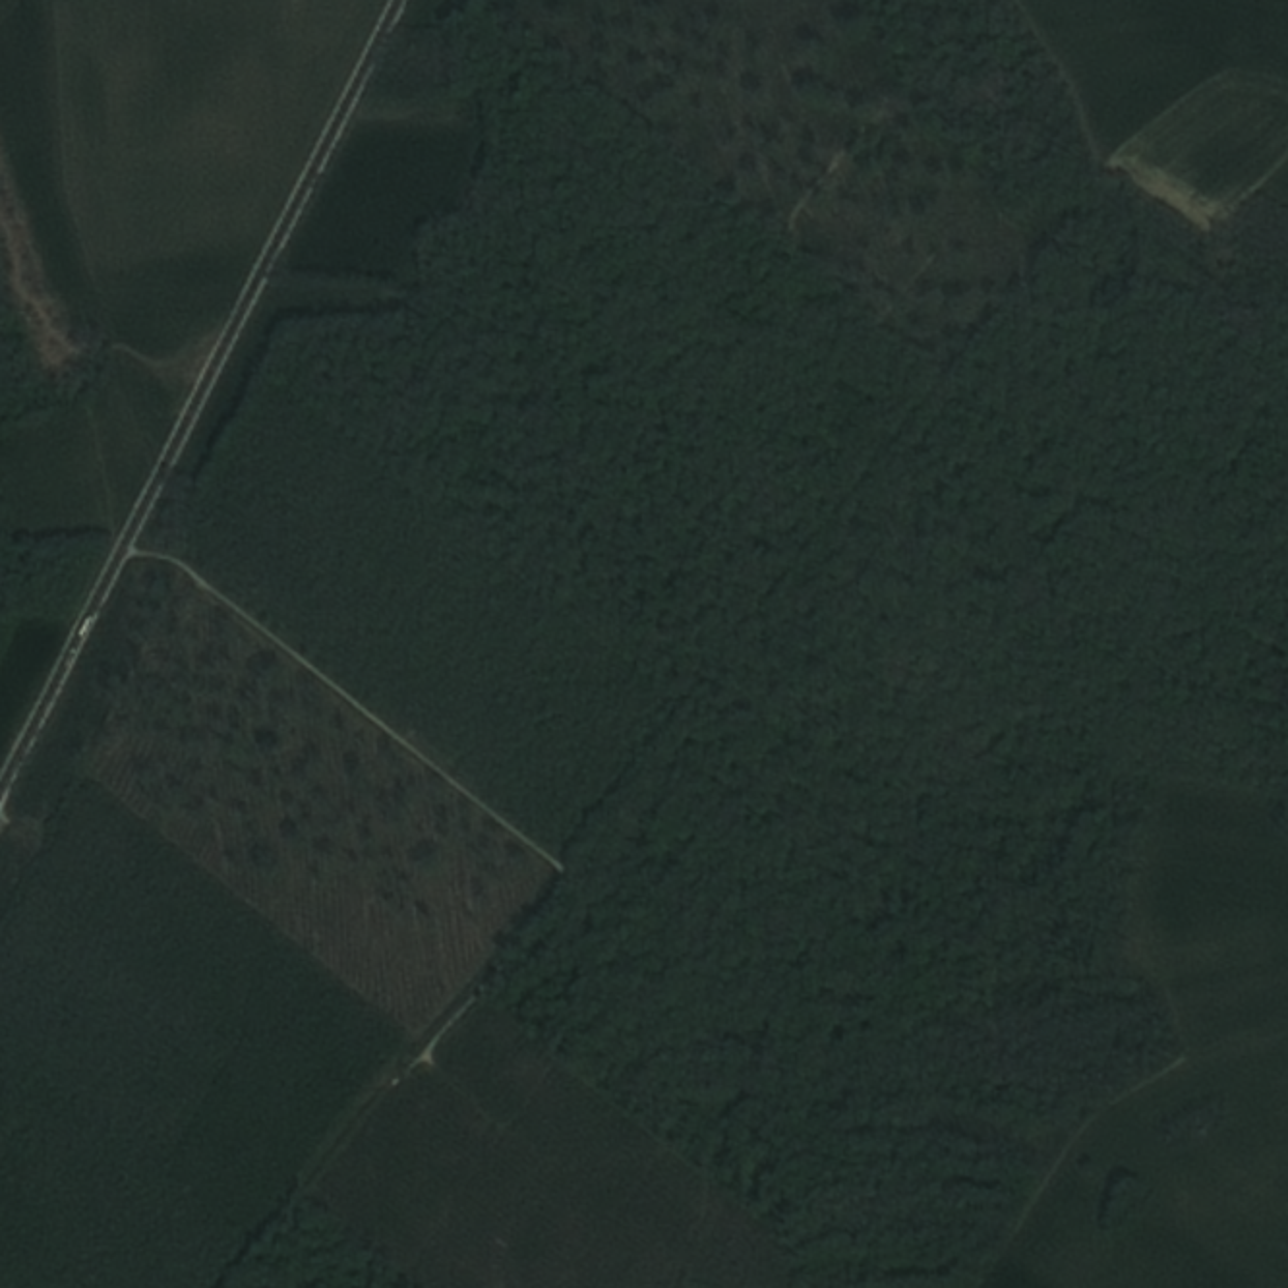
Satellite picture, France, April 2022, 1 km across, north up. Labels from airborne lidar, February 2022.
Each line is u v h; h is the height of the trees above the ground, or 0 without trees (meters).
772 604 19
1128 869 25
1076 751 24
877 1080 18
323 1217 23
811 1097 26
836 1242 25
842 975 26
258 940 7
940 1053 22
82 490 0
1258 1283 0
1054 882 15
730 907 25
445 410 24
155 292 0
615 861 25
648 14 0
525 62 28
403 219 0
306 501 17
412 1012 0
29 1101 11
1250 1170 0
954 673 27
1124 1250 0
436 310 18
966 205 0
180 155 0
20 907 10
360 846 0
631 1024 28
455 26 18
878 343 25
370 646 17
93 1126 12
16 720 0
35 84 0
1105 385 26
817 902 24
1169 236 24
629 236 24
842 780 23
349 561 17
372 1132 0
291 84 0
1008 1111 23
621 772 16
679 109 27
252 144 0
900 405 22
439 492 21
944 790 28
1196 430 28
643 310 25
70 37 0
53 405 21
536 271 26
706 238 25
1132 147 0
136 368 0
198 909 7
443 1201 0
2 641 13
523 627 17
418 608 15
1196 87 0
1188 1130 17
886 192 0
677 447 21
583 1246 0
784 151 29
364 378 26
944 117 24
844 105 29
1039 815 24
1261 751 22
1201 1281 0
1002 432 26
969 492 26
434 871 26
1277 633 29
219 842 0
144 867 7
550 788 18
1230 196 0
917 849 23
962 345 23
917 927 27
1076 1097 15
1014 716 28
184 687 23
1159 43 0
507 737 19
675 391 24
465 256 30
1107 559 25
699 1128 23
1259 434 17
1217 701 28
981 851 24
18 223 29
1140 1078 12
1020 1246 0
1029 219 27
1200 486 24
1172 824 0
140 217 0
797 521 24
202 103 0
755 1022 23
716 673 21
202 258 0
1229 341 28
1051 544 16
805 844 26
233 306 0
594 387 25
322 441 17
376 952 0
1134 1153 0
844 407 22
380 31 0
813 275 22
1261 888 0
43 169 0
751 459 25
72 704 0
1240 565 25
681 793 27
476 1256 0
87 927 9
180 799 26
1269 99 0
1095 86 0
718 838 26
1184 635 22
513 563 24
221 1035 7
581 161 28
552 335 28
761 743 25
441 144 0
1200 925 0
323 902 0
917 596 27
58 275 0
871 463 25
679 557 27
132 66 0
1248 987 0
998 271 0
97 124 0
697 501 21
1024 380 25
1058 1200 0
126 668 0
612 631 26
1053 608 24
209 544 16
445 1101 0
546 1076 0
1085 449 24
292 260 0
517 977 19
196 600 22
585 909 25
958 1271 22
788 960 23
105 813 7
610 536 24
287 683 25
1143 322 26
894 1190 25
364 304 0
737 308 23
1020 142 28
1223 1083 0
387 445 24
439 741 16
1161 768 23
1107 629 21
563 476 24
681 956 23
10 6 0
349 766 0
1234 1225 0
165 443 0
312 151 0
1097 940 22
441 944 0
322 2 0
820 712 25
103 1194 12
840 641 27
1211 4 0
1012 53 15
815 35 0
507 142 23
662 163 25
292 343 26
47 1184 11
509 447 24
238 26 0
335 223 0
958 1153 25
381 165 0
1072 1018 19
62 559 24
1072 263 29
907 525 26
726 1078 25
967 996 28
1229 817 0
